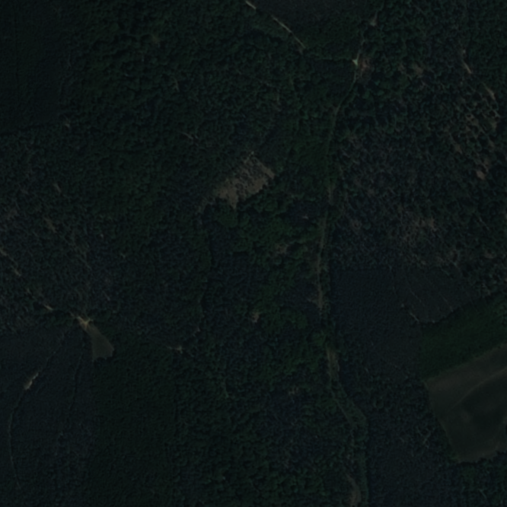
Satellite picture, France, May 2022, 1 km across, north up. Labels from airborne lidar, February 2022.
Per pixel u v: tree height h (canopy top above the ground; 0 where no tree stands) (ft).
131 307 71
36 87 41
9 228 54
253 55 99
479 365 0
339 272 76
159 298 80
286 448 110
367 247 103
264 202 66
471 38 75
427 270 54
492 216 86
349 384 80
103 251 76
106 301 94
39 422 55
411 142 85
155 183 84
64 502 72
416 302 61
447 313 45
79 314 64
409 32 99
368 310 76
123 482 52
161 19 79
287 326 99
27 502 69
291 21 69
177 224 71
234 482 92
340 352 87
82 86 53
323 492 78
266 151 74
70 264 82
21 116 23
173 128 90
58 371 64
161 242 105
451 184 88
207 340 93
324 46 65
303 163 69
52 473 81
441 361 0
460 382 0
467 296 59
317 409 79
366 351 73
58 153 70
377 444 83
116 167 93
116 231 79
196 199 67
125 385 51
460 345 0
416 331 52
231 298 107
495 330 0
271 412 107
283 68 93
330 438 83
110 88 80
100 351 0
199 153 72
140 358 53
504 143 72
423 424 59
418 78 0
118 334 56
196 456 82
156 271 88
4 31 37
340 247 106
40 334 66
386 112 28
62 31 29
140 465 56
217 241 127
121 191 93
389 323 63
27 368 66
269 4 72
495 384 0
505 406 0
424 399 57
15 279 93
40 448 66
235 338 119
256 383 97
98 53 70
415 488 73
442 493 75
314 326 99
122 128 79
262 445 87
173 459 68
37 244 78
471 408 0
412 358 60
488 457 0
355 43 74
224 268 114
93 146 83
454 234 71
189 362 75
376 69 27
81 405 61
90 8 61
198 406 89
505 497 60
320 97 96
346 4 70
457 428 0
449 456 50
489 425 0
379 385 78
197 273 68
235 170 59
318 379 91
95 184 68
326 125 103
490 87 88
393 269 53
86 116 80
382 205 111
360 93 111
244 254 124
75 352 53
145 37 100
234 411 120
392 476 83
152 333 67
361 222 102
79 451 70
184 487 66
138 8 92
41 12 36
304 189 78
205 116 85
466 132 102
